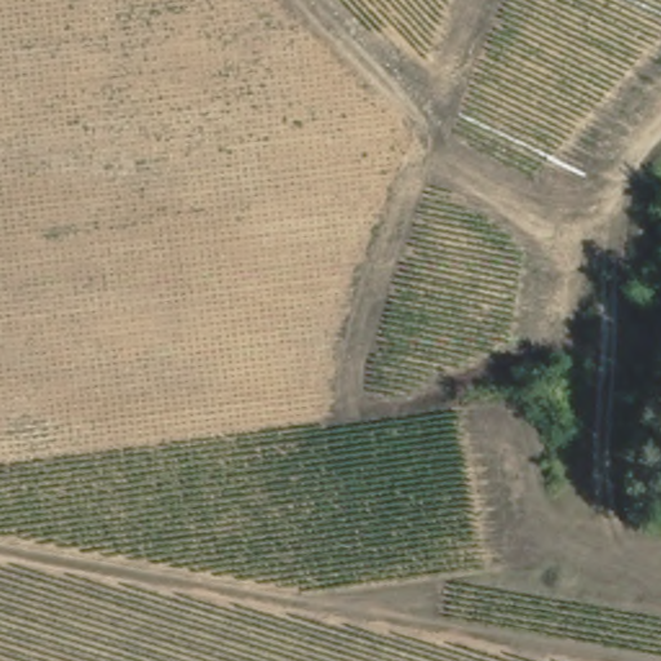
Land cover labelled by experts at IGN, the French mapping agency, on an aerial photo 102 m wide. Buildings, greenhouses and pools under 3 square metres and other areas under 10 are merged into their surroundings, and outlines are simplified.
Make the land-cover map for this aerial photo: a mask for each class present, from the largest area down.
<instances>
[{"label":"vineyard","instance_id":"1","mask_svg":"<svg viewBox=\"0 0 661 661\"><path fill-rule=\"evenodd\" d=\"M454 0H0V537H26L59 547H80L83 553L129 555L150 563H168L176 568L212 571L217 576L297 586L302 591H320L382 578L434 576L467 568L475 571L483 565L478 560V547L473 540L465 460L457 442L454 413L418 418L385 416L380 421L325 423L333 403L328 385L336 374L333 341L338 336L341 320L346 318L341 310L349 300L354 266L364 258L369 230L377 222V214L385 204L387 186L382 183L380 170L421 160L423 147L418 137L429 129L418 106L403 90L400 77L387 75L377 57L367 49L374 41L395 44L405 54V59L429 70L436 62V54L429 52V41H444L452 26ZM661 52V0H509L503 13V28L493 36L485 70L473 90L457 134L498 165L514 168L524 176L540 173L545 163L571 176H584V168L565 160L568 152L576 147L581 134L596 121L594 111L604 106L625 80H633ZM405 243L416 248V256L395 263L392 279L385 289L387 300H392V312L385 328V338L374 354H367L364 364V390L380 392L385 400H400L405 395L423 390L434 374L444 380L470 369H483V364L496 351H516L519 346V341L509 333V323L514 312V300L522 294V248H516L509 240V232H501L498 225L488 222L485 214L467 212L462 204H454L452 183L429 181L423 183L413 204L408 225ZM509 646L478 640L454 630L431 633L421 627L372 622L369 630H364L343 625V617L338 615L312 612L302 607H279L256 599H238L207 589H191V594L165 596L137 586L116 589L77 576H52L23 565H0V661H532L524 656H509ZM452 622H475L516 633H537L545 638H565L604 648L661 656V617L615 607H596L586 602L547 599L537 594L483 586L465 578L447 581L442 615Z\"/></svg>","mask_w":661,"mask_h":661},{"label":"herbaceous vegetation","instance_id":"2","mask_svg":"<svg viewBox=\"0 0 661 661\"><path fill-rule=\"evenodd\" d=\"M509 0H454L452 26L444 41H429V52L436 54V62L429 70L405 59V54L395 44L374 41L367 49L377 57L387 75L400 77L403 90L418 106L429 129L418 137L423 147L421 160L380 170L382 183L387 186L385 204L377 214V222L369 230L364 258L354 266L349 300L341 310L346 318L341 320L338 336L333 341L336 374L328 385L333 403L325 423L380 421L385 416L418 418L454 413L457 442L465 460L473 540L478 547V560L483 565L475 571L467 568L434 576L382 578L320 591H302L297 586L217 576L212 571L176 568L168 563H150L129 555L83 553L80 547H59L26 537H0V565H23L52 576H77L116 589L137 586L165 596L191 594V589H207L238 599H256L279 607H302L312 612L338 615L343 617V625L364 630H369L372 622L421 627L431 633L454 630L478 640L509 646V656H524L532 661H661V656L604 648L565 638H545L537 633H516L475 622H452L442 615L447 581L465 578L483 586L537 594L547 599L586 602L596 607H615L661 617V537H651L643 527L630 529L617 519L625 511V503L630 501L625 485V460L635 452L633 434L622 416L625 398L615 390V312L633 300L630 284H646L653 274L651 266L627 245V240L643 235V227L638 225L651 217V207L661 199V142L651 150L640 168H635L625 152V137L633 124L646 127L653 119L656 101L661 98V52L633 80H625L604 106L594 111L596 121L581 134L576 147L568 152L565 160L584 168V176H571L545 163L540 173L524 176L514 168L498 165L457 134L473 90L485 70L493 36L503 28V13ZM429 181L452 183L454 204H462L467 212L485 214L488 222L498 225L501 232H509V240L516 248H522V294L514 300V312L509 323V333L519 341V346L516 351H496L483 364V369H470L444 380L434 374L423 390L405 395L400 400H385L380 392L364 390V364L367 354H374L385 338V328L392 312V300H387L385 289L392 279L395 263L416 256V248L405 243L408 225L413 204L423 183ZM558 356H571L565 382L576 418V436L558 449V457L565 465L568 483L542 485V475L537 465H532V457L542 452V439L537 436L534 426L514 416V411L503 403L498 387H532L534 372L540 367H553Z\"/></svg>","mask_w":661,"mask_h":661},{"label":"deciduous trees","instance_id":"3","mask_svg":"<svg viewBox=\"0 0 661 661\"><path fill-rule=\"evenodd\" d=\"M643 227V235L627 240V245L651 266L653 274L646 284H630L633 300L615 312V390L625 398L622 416L633 434L643 423L646 408L653 411L661 405V199L651 207V217L638 225ZM571 356H558L553 367H540L534 372L532 387H498L503 403L514 411V416L534 426L537 436L542 439V452L532 457V465H537L542 475V485L568 483L565 465L558 457V449L576 436V418L565 382Z\"/></svg>","mask_w":661,"mask_h":661},{"label":"coniferous trees","instance_id":"4","mask_svg":"<svg viewBox=\"0 0 661 661\"><path fill-rule=\"evenodd\" d=\"M635 452L625 460V485L630 501L625 503V511L617 519L630 529L643 527L651 537H661V405L653 411L646 408L643 423L633 434Z\"/></svg>","mask_w":661,"mask_h":661},{"label":"pervious surface","instance_id":"5","mask_svg":"<svg viewBox=\"0 0 661 661\"><path fill-rule=\"evenodd\" d=\"M661 142V98L656 101L653 119L646 127L633 124L625 137V152L635 168H640L651 150Z\"/></svg>","mask_w":661,"mask_h":661}]
</instances>
